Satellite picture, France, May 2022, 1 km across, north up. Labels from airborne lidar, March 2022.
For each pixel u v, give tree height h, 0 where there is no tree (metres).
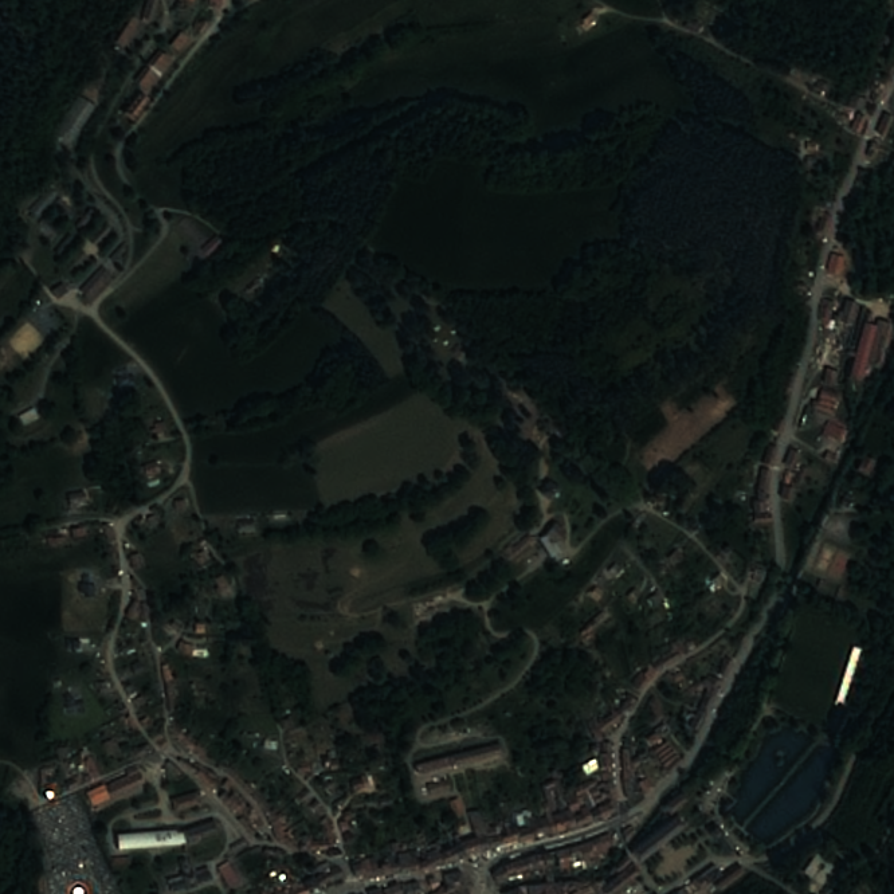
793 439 0
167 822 0
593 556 0
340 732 6
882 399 15
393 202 0
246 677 0
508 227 0
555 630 0
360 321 0
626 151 25
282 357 0
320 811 0
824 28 18
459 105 23
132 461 10
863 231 12
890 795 6
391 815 14
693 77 29
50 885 0
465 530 20
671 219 25
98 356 0
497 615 14
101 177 0
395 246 0
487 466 0
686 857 0
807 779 0
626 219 10
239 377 0
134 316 0
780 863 27
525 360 29
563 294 19
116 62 9
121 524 0
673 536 0
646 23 0
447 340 0
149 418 0
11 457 21
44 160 10
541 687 16
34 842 18
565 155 22
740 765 20
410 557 0
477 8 0
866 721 30
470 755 0
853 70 18
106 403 0
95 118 16
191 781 0
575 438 18
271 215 16
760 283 22
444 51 0
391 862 0
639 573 0
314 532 23
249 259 18
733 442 0
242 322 23
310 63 15
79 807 0
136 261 0
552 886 0
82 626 0
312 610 0
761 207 22
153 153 0
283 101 24
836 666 0
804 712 0
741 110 24
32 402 0
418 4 0
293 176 6
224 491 0
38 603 0
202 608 0
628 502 21
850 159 6
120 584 0
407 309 0
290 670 22
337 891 0
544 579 0
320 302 14
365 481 0
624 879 0
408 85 0
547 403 26
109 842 0
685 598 10
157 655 0
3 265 14
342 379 23
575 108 0
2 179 13
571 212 0
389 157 23
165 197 0
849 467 10
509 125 14
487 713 0
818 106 0
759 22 22
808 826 0
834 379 0
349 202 25
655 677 0
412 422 0
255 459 0
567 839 0
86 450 0
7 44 37
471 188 0
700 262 21
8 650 0
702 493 0
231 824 0
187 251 9
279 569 0
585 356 14
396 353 0
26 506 0
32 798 0
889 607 22
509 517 0
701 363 26
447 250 0
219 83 0
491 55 0
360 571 0
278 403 14
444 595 0
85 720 0
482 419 22
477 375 23
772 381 16
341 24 0
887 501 26
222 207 10
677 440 0
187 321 0
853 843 0
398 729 7
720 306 23
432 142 11
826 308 0
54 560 0
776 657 19
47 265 0
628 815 0
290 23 0
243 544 0
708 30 0
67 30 14
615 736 0
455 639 8
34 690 0
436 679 20
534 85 0
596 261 22
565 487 0
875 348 0
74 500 0
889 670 14
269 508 0
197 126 0
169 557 0
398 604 0
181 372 0
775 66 26
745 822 0
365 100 0
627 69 0
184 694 0
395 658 0
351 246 16
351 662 19
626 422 27
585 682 17
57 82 20
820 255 0
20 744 0
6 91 26
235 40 0
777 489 0
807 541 16
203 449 0
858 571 15
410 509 12
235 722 6
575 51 0
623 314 23
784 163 24
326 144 20
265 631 13
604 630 0
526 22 0
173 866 0
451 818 13
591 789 0
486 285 0
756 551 7
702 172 25
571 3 0
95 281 0
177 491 0
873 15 14
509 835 0
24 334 0
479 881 0
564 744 16
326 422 0
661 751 0
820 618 0
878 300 0
